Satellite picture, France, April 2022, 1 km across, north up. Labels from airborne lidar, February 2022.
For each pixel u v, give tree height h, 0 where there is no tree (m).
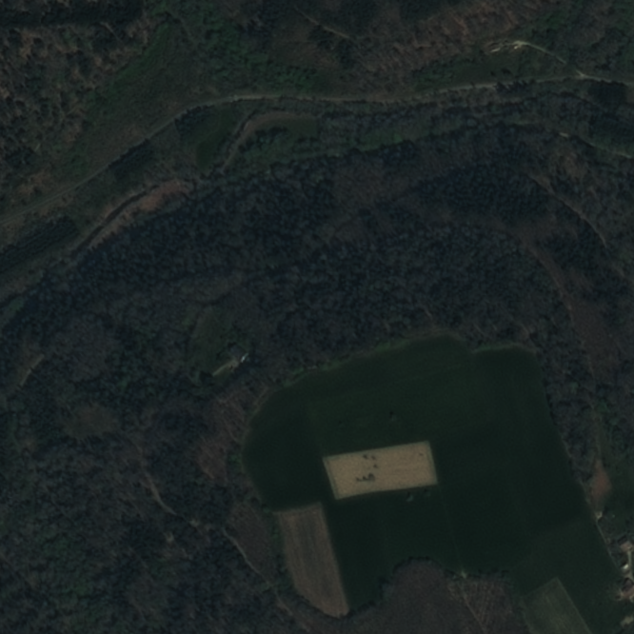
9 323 21
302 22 16
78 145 12
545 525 0
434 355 0
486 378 0
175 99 0
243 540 14
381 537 0
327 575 0
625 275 8
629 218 37
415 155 27
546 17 22
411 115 22
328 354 27
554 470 0
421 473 0
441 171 23
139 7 18
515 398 0
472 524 0
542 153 13
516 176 23
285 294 30
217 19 26
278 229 37
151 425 29
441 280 29
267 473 0
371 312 29
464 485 0
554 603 0
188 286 32
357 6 26
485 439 0
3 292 24
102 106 8
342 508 0
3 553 34
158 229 21
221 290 37
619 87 16
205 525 16
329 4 24
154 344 21
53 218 15
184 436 27
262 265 31
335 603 0
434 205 27
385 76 38
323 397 0
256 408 20
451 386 0
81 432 0
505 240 25
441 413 0
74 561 29
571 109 25
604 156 7
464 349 0
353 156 9
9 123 12
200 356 21
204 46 21
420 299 32
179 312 36
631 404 33
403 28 25
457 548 0
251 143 0
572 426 19
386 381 0
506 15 31
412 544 0
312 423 0
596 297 16
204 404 13
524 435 0
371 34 22
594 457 29
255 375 26
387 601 16
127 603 21
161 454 26
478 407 0
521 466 0
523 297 27
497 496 0
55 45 28
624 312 21
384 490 0
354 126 27
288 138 23
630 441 25
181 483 22
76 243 22
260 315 25
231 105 7
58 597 19
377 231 20
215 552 28
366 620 18
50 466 31
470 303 33
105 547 27
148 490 29
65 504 21
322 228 28
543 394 0
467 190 31
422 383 0
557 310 20
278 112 14
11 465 22
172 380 15
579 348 32
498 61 0
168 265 32
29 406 18
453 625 13
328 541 0
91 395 20
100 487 27
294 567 0
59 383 19
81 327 37
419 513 0
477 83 0
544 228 18
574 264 29
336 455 0
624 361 24
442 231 31
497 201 31
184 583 24
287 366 29
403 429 0
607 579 0
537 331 32
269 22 26
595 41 32
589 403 31
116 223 0
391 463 0
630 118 22
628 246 34
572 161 0
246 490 23
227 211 30
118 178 21
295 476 0
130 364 25
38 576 26
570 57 21
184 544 26
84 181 0
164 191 0
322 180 28
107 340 40
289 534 0
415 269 12
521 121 26
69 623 28
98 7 13
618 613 0
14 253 19
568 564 0
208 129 11
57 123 19
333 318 26
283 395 0
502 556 0
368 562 0
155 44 22
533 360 0
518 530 0
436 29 12
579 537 0
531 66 9
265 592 29
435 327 27
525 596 0
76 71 27
